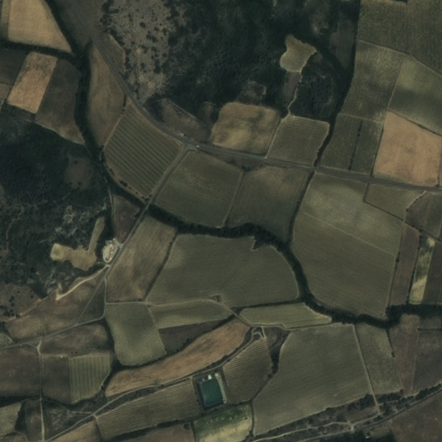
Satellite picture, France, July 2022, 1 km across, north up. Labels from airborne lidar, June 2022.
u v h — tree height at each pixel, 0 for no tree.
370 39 0
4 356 0
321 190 0
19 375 0
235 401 0
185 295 0
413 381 0
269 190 0
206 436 0
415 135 0
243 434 0
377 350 0
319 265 0
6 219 7
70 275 0
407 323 0
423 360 0
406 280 0
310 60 9
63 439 0
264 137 0
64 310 0
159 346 0
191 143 0
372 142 0
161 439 0
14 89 0
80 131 7
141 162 0
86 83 6
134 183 0
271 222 0
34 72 0
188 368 0
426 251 0
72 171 0
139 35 0
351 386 0
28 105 0
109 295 0
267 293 0
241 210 0
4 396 8
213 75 11
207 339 0
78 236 7
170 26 0
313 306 9
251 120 0
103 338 0
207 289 0
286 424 0
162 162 0
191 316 0
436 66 0
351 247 0
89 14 0
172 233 0
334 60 8
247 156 0
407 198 0
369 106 0
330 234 0
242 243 0
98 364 0
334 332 0
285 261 0
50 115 0
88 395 0
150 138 0
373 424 0
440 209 0
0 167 11
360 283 0
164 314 0
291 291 0
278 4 0
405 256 0
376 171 0
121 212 0
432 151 0
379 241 0
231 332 0
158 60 0
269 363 0
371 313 0
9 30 0
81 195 7
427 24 0
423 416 0
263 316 0
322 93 9
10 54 0
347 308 0
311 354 0
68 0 0
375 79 0
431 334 0
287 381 0
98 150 6
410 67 0
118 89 0
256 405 0
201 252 0
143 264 0
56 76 0
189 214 0
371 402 7
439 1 0
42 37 0
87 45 6
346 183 0
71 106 0
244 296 0
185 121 0
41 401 6
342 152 0
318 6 0
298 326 0
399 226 0
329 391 0
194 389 0
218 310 0
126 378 0
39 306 0
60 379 0
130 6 0
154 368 0
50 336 0
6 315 11
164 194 0
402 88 0
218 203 0
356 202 0
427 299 0
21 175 8
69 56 7
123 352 0
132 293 0
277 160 0
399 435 0
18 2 0
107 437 0
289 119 0
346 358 0
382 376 0
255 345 0
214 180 0
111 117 0
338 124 0
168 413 0
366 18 0
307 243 0
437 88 0
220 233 12
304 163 0
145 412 0
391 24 0
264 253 0
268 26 7
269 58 11
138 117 0
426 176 0
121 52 0
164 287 0
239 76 14
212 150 0
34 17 0
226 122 0
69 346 0
